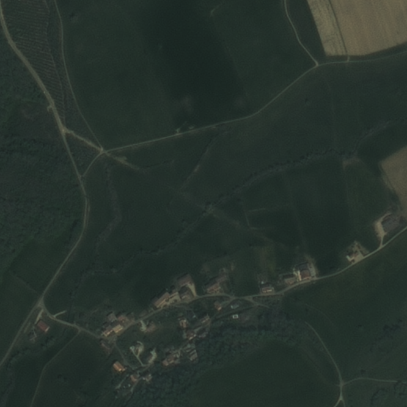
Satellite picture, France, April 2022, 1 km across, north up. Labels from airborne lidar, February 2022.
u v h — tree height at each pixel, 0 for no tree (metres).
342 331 0
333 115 0
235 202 0
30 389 0
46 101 23
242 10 0
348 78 0
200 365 8
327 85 0
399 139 0
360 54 0
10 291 0
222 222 0
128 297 0
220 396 0
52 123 0
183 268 0
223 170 0
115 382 10
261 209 0
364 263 0
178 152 0
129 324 0
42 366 0
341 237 0
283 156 0
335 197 0
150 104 0
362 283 0
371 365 0
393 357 0
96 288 0
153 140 0
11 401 0
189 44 0
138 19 0
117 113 0
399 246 0
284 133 0
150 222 0
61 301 0
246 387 0
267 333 16
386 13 0
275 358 0
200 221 0
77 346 0
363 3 0
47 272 0
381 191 0
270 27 0
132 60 0
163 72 0
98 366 0
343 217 0
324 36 0
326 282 0
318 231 0
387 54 0
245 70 0
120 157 0
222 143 0
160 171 0
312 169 0
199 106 0
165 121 0
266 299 9
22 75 28
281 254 0
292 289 0
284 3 0
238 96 0
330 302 0
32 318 0
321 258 0
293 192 0
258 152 0
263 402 0
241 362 0
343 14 0
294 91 0
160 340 0
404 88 0
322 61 0
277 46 0
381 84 0
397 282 0
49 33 7
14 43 0
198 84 0
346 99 0
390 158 0
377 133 0
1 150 7
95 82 0
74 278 0
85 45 0
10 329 0
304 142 0
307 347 0
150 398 19
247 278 0
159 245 0
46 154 8
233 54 0
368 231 0
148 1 0
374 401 13
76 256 0
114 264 0
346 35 0
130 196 0
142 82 0
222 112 0
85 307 0
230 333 22
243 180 0
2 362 0
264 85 0
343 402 0
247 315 0
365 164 0
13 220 29
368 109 0
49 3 7
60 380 11
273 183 0
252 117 0
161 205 0
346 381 0
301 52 0
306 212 0
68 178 21
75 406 0
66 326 0
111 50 0
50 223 29
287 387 0
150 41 0
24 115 0
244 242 0
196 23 0
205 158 0
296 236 0
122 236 0
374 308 0
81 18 0
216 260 0
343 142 0
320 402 0
